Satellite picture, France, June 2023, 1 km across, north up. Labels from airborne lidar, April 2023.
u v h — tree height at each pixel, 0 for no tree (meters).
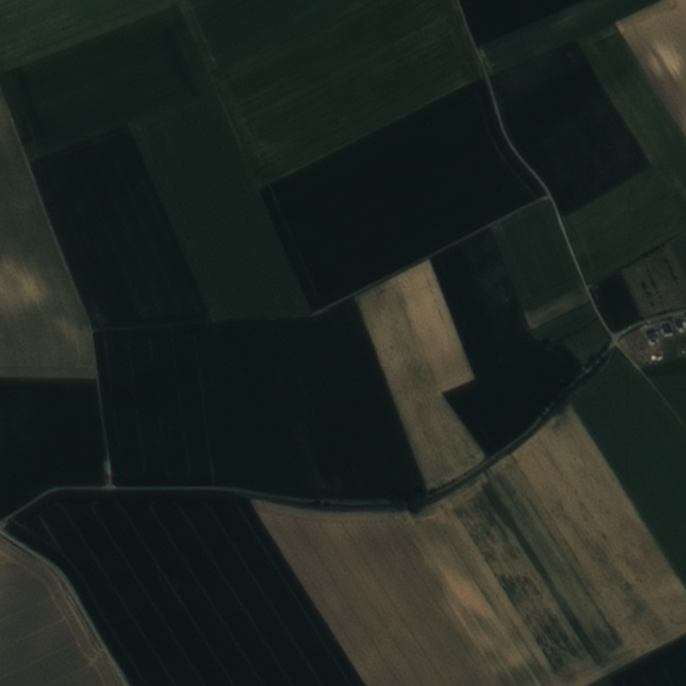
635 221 0
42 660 0
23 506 0
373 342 0
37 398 0
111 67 0
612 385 0
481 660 0
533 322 0
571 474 0
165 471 0
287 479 0
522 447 0
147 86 0
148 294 0
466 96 0
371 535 0
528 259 0
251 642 0
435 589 0
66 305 0
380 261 0
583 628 0
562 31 0
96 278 0
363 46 0
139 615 0
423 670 0
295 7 0
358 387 0
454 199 0
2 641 0
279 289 0
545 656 0
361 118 0
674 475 0
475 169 0
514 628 0
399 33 0
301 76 0
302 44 0
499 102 0
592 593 0
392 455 0
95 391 0
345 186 0
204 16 0
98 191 0
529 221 0
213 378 0
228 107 0
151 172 0
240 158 0
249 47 0
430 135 0
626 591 0
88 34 0
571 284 0
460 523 0
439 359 0
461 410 0
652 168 0
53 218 0
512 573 0
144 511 0
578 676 0
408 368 0
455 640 0
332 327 0
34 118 0
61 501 0
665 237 0
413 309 0
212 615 0
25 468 0
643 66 0
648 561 0
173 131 0
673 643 0
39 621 0
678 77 0
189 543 0
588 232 0
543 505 0
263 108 0
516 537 0
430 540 0
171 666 0
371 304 0
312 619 0
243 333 0
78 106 0
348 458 0
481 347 0
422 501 18
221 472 0
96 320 0
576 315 0
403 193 0
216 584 0
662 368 0
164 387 0
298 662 0
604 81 0
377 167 0
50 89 0
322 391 0
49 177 0
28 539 0
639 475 0
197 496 0
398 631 0
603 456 0
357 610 0
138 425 0
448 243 0
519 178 0
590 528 0
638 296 0
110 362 0
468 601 0
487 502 0
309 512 0
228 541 0
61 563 0
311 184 0
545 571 0
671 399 0
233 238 0
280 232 0
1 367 0
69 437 0
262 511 0
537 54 0
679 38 0
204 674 0
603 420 0
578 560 0
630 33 0
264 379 0
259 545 0
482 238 0
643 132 0
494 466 0
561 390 8
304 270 0
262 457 0
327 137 0
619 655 0
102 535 0
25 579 0
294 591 0
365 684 0
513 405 0
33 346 0
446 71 0
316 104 0
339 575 0
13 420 0
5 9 0
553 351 0
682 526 0
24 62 0
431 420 0
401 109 0
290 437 0
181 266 0
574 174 0
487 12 0
